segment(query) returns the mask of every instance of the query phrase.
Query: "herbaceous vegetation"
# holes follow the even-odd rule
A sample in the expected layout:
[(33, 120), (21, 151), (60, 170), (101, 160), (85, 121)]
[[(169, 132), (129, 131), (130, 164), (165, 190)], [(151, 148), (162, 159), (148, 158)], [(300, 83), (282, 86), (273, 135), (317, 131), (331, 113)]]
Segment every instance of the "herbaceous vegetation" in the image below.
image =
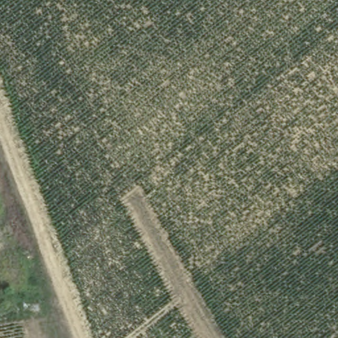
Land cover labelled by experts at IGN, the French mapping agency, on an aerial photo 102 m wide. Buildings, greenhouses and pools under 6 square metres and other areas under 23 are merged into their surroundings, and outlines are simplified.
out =
[(24, 338), (73, 338), (42, 259), (32, 222), (21, 201), (15, 178), (0, 144), (0, 284), (5, 281), (9, 288), (18, 289), (28, 281), (30, 285), (40, 287), (41, 300), (36, 304), (24, 304), (26, 310), (33, 310), (29, 320), (28, 326), (22, 330)]
[(220, 334), (211, 309), (207, 308), (202, 294), (194, 287), (190, 272), (186, 271), (180, 255), (170, 243), (168, 232), (162, 228), (153, 207), (149, 205), (149, 198), (156, 194), (156, 190), (145, 194), (140, 186), (135, 185), (131, 190), (125, 191), (120, 201), (127, 207), (128, 215), (144, 240), (158, 275), (169, 290), (170, 301), (151, 317), (145, 318), (141, 325), (124, 338), (148, 338), (149, 327), (173, 308), (180, 310), (189, 325), (189, 338), (224, 338), (224, 335)]

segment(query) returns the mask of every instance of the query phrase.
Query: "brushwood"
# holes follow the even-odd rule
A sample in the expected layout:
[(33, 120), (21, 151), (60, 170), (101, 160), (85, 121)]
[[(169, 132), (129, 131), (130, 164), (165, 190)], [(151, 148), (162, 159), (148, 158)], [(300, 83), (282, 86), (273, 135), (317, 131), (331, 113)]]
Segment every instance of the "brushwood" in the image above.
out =
[(24, 304), (36, 304), (41, 300), (40, 287), (30, 285), (28, 281), (18, 289), (9, 288), (5, 281), (0, 284), (0, 317), (8, 318), (9, 321), (29, 320), (33, 310), (26, 310)]

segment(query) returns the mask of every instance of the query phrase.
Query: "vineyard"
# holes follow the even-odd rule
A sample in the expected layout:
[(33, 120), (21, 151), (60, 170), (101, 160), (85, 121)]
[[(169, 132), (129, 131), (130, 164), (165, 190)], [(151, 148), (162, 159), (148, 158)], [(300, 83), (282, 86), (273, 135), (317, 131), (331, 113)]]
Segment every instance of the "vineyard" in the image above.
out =
[(9, 321), (8, 318), (0, 317), (0, 338), (24, 338), (22, 330), (28, 326), (29, 320)]
[(148, 338), (189, 338), (189, 325), (180, 310), (173, 308), (149, 327)]
[(145, 194), (156, 190), (156, 194), (149, 198), (149, 205), (153, 207), (162, 228), (168, 232), (170, 243), (180, 255), (186, 271), (190, 272), (194, 287), (202, 294), (207, 308), (211, 309), (220, 334), (224, 335), (224, 338), (338, 338), (338, 0), (0, 0), (0, 78), (3, 79), (5, 96), (11, 104), (18, 136), (24, 143), (33, 176), (40, 185), (40, 193), (44, 197), (51, 226), (57, 231), (63, 256), (69, 265), (71, 280), (77, 287), (83, 312), (90, 323), (92, 338), (124, 338), (141, 325), (145, 318), (151, 317), (170, 301), (169, 290), (158, 275), (144, 240), (128, 215), (127, 207), (120, 201), (125, 191), (131, 190), (135, 185), (140, 186)]

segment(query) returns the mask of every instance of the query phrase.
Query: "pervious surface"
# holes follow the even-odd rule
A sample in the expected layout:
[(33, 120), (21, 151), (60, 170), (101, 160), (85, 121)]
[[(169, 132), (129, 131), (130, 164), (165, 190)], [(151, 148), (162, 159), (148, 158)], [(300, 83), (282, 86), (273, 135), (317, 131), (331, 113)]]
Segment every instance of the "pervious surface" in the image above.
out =
[(33, 176), (24, 143), (18, 136), (11, 104), (5, 96), (3, 79), (0, 78), (0, 144), (15, 178), (21, 201), (32, 222), (42, 259), (73, 338), (92, 338), (90, 323), (83, 312), (77, 287), (71, 280), (69, 265), (63, 256), (57, 231), (51, 226), (44, 197), (40, 193), (40, 185)]

